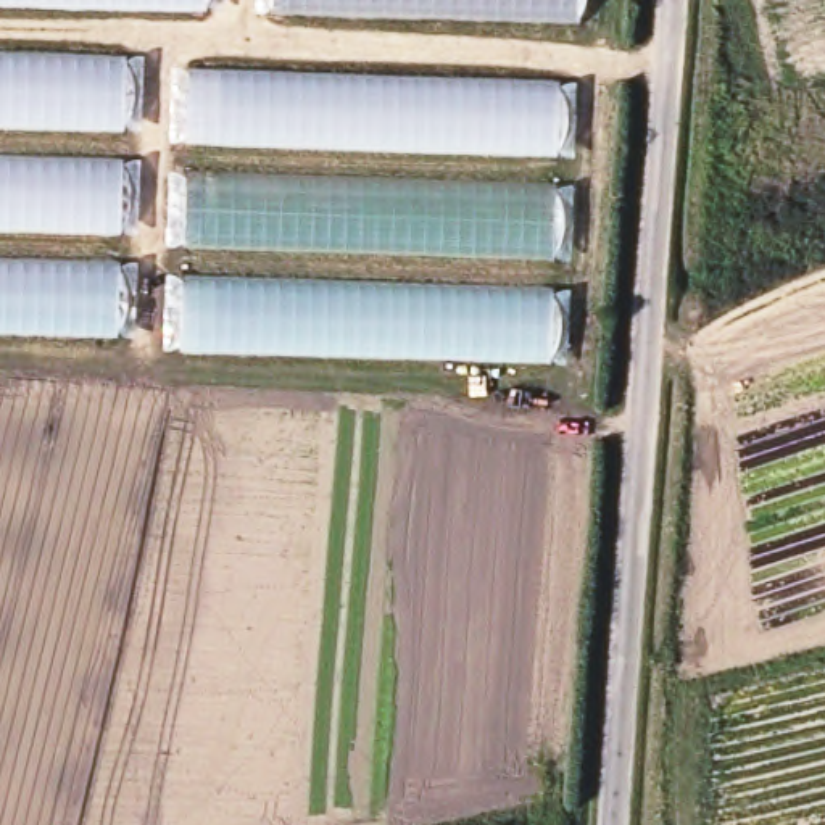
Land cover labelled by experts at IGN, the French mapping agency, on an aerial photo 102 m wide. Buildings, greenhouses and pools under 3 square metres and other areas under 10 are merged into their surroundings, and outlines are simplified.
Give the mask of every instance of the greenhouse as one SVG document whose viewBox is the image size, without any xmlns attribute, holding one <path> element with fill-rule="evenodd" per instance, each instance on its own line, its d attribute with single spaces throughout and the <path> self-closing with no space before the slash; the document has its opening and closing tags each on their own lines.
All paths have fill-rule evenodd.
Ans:
<svg viewBox="0 0 825 825">
<path fill-rule="evenodd" d="M 0 232 L 129 238 L 142 222 L 142 168 L 135 161 L 0 158 Z"/>
<path fill-rule="evenodd" d="M 487 261 L 570 258 L 570 187 L 554 190 L 516 184 L 290 180 L 209 174 L 187 177 L 187 242 L 180 248 L 409 258 L 425 255 Z"/>
<path fill-rule="evenodd" d="M 574 155 L 570 113 L 577 87 L 570 84 L 219 71 L 222 135 L 213 145 L 564 158 Z"/>
<path fill-rule="evenodd" d="M 119 264 L 0 261 L 0 335 L 119 335 L 129 306 L 135 303 L 139 267 Z"/>
<path fill-rule="evenodd" d="M 570 293 L 303 280 L 164 280 L 161 332 L 168 351 L 367 361 L 503 361 L 561 367 L 567 361 L 564 316 L 570 306 Z"/>
<path fill-rule="evenodd" d="M 0 6 L 180 13 L 206 10 L 206 0 L 0 0 Z"/>
<path fill-rule="evenodd" d="M 151 55 L 145 48 L 135 48 L 132 58 L 0 55 L 0 129 L 132 132 L 145 119 L 142 87 L 145 58 Z"/>
<path fill-rule="evenodd" d="M 587 0 L 274 0 L 271 13 L 354 19 L 580 23 Z"/>
</svg>

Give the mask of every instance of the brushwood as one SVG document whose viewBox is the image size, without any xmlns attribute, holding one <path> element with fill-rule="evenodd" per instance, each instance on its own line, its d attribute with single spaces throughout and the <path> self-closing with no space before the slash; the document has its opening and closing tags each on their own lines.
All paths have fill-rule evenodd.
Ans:
<svg viewBox="0 0 825 825">
<path fill-rule="evenodd" d="M 609 677 L 609 625 L 619 583 L 616 541 L 622 490 L 622 435 L 612 435 L 596 445 L 593 461 L 590 545 L 580 593 L 580 664 L 570 748 L 564 754 L 529 757 L 532 773 L 545 780 L 538 802 L 516 806 L 506 812 L 480 812 L 474 819 L 458 819 L 445 825 L 596 825 Z"/>
</svg>

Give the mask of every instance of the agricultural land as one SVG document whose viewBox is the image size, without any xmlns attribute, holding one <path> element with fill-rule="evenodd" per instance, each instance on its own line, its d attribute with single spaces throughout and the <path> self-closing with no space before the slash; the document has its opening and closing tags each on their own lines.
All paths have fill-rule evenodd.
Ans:
<svg viewBox="0 0 825 825">
<path fill-rule="evenodd" d="M 773 680 L 754 680 L 741 690 L 712 696 L 712 706 L 722 706 L 725 719 L 744 712 L 751 715 L 751 722 L 738 725 L 744 728 L 744 738 L 722 738 L 725 754 L 715 757 L 728 761 L 725 770 L 712 770 L 722 825 L 825 825 L 825 667 L 790 670 Z"/>
<path fill-rule="evenodd" d="M 770 77 L 780 77 L 780 71 L 790 64 L 799 74 L 825 74 L 825 0 L 751 0 L 761 55 Z"/>
<path fill-rule="evenodd" d="M 693 335 L 690 361 L 696 387 L 696 471 L 690 506 L 690 577 L 683 583 L 680 674 L 706 677 L 825 645 L 825 267 L 732 306 Z"/>
<path fill-rule="evenodd" d="M 458 819 L 474 819 L 480 812 L 506 812 L 516 806 L 538 802 L 545 780 L 532 773 L 529 757 L 564 754 L 570 748 L 580 664 L 580 593 L 590 545 L 593 461 L 596 445 L 612 435 L 603 422 L 593 432 L 580 432 L 577 425 L 564 425 L 551 409 L 503 416 L 477 406 L 461 406 L 438 393 L 416 393 L 406 403 L 406 409 L 390 409 L 380 403 L 377 393 L 287 393 L 238 387 L 129 390 L 93 380 L 16 383 L 13 371 L 0 371 L 0 825 L 445 825 Z"/>
</svg>

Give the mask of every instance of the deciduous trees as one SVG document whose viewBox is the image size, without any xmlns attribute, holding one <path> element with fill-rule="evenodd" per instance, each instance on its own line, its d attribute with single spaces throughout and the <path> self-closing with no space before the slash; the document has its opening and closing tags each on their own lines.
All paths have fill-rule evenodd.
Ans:
<svg viewBox="0 0 825 825">
<path fill-rule="evenodd" d="M 664 335 L 664 367 L 690 361 L 693 335 Z"/>
</svg>

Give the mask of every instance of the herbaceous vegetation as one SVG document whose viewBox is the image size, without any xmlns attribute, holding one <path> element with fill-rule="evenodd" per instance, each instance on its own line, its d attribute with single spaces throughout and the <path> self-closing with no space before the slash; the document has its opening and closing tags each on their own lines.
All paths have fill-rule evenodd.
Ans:
<svg viewBox="0 0 825 825">
<path fill-rule="evenodd" d="M 732 306 L 825 267 L 825 174 L 815 180 L 793 180 L 786 193 L 767 187 L 770 177 L 777 177 L 780 171 L 751 164 L 744 158 L 744 145 L 754 139 L 754 126 L 761 119 L 754 100 L 770 100 L 770 77 L 761 55 L 751 0 L 690 0 L 664 335 L 693 335 Z"/>
<path fill-rule="evenodd" d="M 119 264 L 122 255 L 132 248 L 129 238 L 0 232 L 0 261 Z"/>
<path fill-rule="evenodd" d="M 738 725 L 751 722 L 751 715 L 744 712 L 725 719 L 722 706 L 712 706 L 712 696 L 741 690 L 754 680 L 773 680 L 790 670 L 825 667 L 825 645 L 706 677 L 680 674 L 683 583 L 690 577 L 690 506 L 696 471 L 696 387 L 690 361 L 664 367 L 628 825 L 722 825 L 712 770 L 725 770 L 728 761 L 715 757 L 725 754 L 722 738 L 744 738 L 744 728 Z"/>
<path fill-rule="evenodd" d="M 0 19 L 206 23 L 213 19 L 213 13 L 206 10 L 180 13 L 0 6 Z"/>
<path fill-rule="evenodd" d="M 187 177 L 209 174 L 290 180 L 516 184 L 554 190 L 570 187 L 570 258 L 487 261 L 425 255 L 409 258 L 180 248 L 148 255 L 164 280 L 303 280 L 570 293 L 570 306 L 564 316 L 567 361 L 561 367 L 503 361 L 367 361 L 168 351 L 155 358 L 139 358 L 132 351 L 132 342 L 119 335 L 0 335 L 0 371 L 13 371 L 16 383 L 93 380 L 129 390 L 238 387 L 287 393 L 377 393 L 380 403 L 390 409 L 406 409 L 406 403 L 416 393 L 438 393 L 461 406 L 477 406 L 503 416 L 551 409 L 564 425 L 577 425 L 580 432 L 593 432 L 603 422 L 606 416 L 612 416 L 603 406 L 606 371 L 599 367 L 609 364 L 612 335 L 616 271 L 609 267 L 609 251 L 616 248 L 619 193 L 612 180 L 593 190 L 590 180 L 577 177 L 564 158 L 213 145 L 171 148 L 174 168 Z"/>
<path fill-rule="evenodd" d="M 132 58 L 135 48 L 106 42 L 0 39 L 0 55 Z"/>
<path fill-rule="evenodd" d="M 580 23 L 354 19 L 271 13 L 267 19 L 274 26 L 303 29 L 590 45 L 606 42 L 609 48 L 635 52 L 635 0 L 587 0 Z"/>
<path fill-rule="evenodd" d="M 219 71 L 570 84 L 574 74 L 535 68 L 277 61 L 229 55 L 193 58 L 187 64 L 190 71 Z"/>
<path fill-rule="evenodd" d="M 0 129 L 0 158 L 135 161 L 139 139 L 132 132 Z"/>
</svg>

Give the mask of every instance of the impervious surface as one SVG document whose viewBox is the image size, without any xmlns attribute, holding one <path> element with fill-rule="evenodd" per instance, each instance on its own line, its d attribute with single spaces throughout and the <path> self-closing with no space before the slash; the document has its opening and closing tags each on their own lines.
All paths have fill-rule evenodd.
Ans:
<svg viewBox="0 0 825 825">
<path fill-rule="evenodd" d="M 616 271 L 612 335 L 609 364 L 599 367 L 606 371 L 603 406 L 612 416 L 606 416 L 603 422 L 612 435 L 622 435 L 622 490 L 616 541 L 619 583 L 609 625 L 609 677 L 596 825 L 628 825 L 664 367 L 664 335 L 690 0 L 635 0 L 635 52 L 609 48 L 606 42 L 590 45 L 599 55 L 599 64 L 587 77 L 625 81 L 612 180 L 619 193 L 616 248 L 609 251 L 609 267 Z"/>
</svg>

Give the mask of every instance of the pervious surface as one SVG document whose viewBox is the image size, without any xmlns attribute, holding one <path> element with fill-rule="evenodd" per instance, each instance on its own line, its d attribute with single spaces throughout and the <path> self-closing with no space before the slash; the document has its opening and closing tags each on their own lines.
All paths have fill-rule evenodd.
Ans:
<svg viewBox="0 0 825 825">
<path fill-rule="evenodd" d="M 142 222 L 129 238 L 132 248 L 122 255 L 119 264 L 139 267 L 135 303 L 129 306 L 119 335 L 132 342 L 132 351 L 139 358 L 155 358 L 168 351 L 161 332 L 164 280 L 148 255 L 180 248 L 187 242 L 187 177 L 174 168 L 171 148 L 213 145 L 222 135 L 219 71 L 190 71 L 187 64 L 193 58 L 229 55 L 277 61 L 535 68 L 574 74 L 570 84 L 577 87 L 570 113 L 574 155 L 564 158 L 577 177 L 590 180 L 593 190 L 612 180 L 625 81 L 587 77 L 599 64 L 599 55 L 590 45 L 303 29 L 274 26 L 267 19 L 271 13 L 274 0 L 206 0 L 206 10 L 213 13 L 213 19 L 206 23 L 0 19 L 0 39 L 106 42 L 135 48 L 145 48 L 151 55 L 145 58 L 142 87 L 145 119 L 132 132 L 139 139 L 135 161 L 142 168 Z"/>
<path fill-rule="evenodd" d="M 786 193 L 793 180 L 815 180 L 825 174 L 825 74 L 799 74 L 790 64 L 780 71 L 780 77 L 770 77 L 770 100 L 754 100 L 761 119 L 754 126 L 754 139 L 744 145 L 744 158 L 751 164 L 780 171 L 777 177 L 770 177 L 767 187 Z"/>
</svg>

